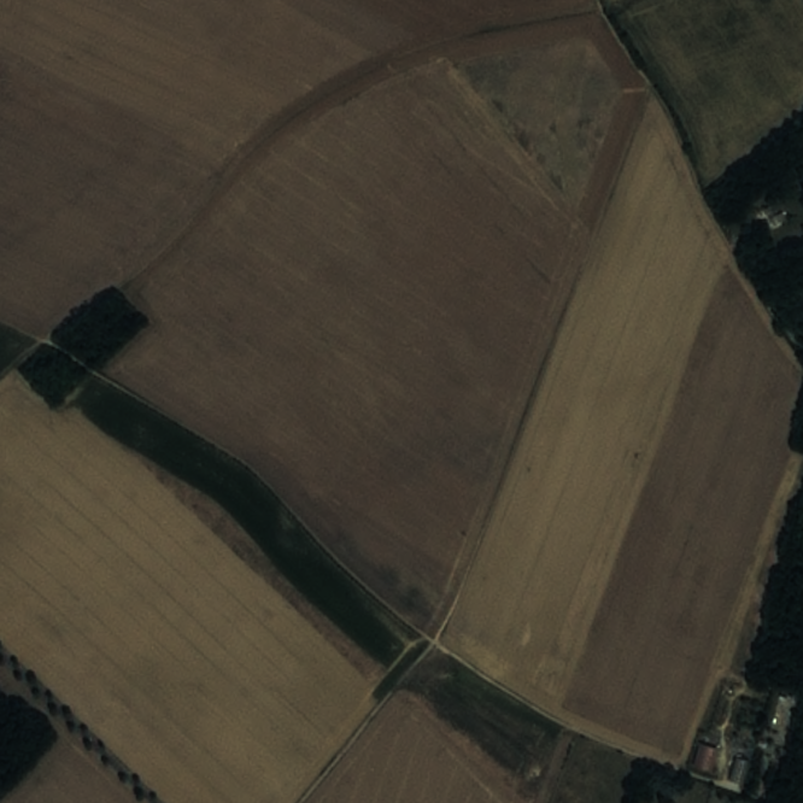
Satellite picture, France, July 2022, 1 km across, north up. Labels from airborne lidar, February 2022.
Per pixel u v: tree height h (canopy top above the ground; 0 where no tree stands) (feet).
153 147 0
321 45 0
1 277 0
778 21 0
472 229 0
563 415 0
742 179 56
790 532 37
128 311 36
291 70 0
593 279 0
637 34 0
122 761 0
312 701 0
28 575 0
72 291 0
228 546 0
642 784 67
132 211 0
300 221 0
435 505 0
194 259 0
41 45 0
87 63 0
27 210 0
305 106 0
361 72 0
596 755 0
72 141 0
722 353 0
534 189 0
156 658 0
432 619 0
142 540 0
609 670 0
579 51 0
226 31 0
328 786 0
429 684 0
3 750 70
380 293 0
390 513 0
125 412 0
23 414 0
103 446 0
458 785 0
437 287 0
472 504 0
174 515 0
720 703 0
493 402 0
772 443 0
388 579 0
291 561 0
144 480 0
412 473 0
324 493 0
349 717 0
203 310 0
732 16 0
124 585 0
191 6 0
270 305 0
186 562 0
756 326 0
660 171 0
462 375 0
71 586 0
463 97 0
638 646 0
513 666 0
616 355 0
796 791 51
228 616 0
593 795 0
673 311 0
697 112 0
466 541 0
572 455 0
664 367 0
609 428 0
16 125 0
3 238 0
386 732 0
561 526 0
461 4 0
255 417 0
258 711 0
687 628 0
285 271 0
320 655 0
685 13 0
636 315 0
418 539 0
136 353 0
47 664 0
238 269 0
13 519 0
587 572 0
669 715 0
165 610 0
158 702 0
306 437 0
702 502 0
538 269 0
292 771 0
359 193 0
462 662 0
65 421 0
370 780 0
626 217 0
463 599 0
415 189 0
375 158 0
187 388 0
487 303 0
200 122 0
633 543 0
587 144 0
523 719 0
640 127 0
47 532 0
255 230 0
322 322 0
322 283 0
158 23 0
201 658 0
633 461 0
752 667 44
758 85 0
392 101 0
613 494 0
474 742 0
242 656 0
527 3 0
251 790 0
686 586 0
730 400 0
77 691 0
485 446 0
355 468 0
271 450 0
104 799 0
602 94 0
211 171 0
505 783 0
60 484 0
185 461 0
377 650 0
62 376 56
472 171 0
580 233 0
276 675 0
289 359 0
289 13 0
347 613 0
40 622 0
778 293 54
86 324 54
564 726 0
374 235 0
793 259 67
